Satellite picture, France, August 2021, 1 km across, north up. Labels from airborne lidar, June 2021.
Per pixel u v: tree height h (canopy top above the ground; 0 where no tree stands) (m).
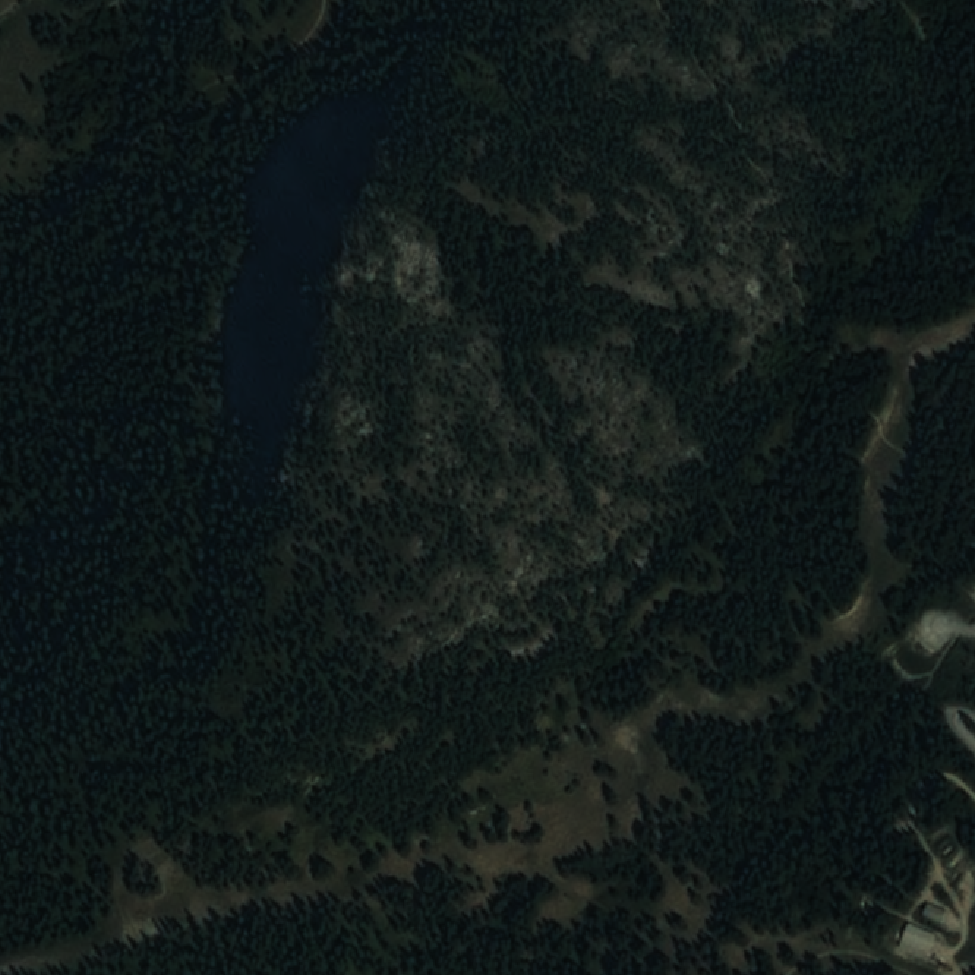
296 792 11
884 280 18
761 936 21
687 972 11
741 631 19
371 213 6
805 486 29
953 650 0
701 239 11
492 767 21
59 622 26
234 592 23
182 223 10
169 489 14
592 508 19
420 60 20
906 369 0
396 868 0
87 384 21
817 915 6
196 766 23
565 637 28
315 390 8
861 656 12
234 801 23
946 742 19
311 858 0
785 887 6
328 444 15
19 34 0
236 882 26
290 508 16
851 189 6
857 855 29
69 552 27
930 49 15
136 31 11
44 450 16
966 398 16
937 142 20
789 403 9
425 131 11
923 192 8
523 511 9
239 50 10
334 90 28
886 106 21
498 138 19
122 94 8
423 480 15
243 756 25
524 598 14
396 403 18
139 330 15
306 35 0
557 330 29
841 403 27
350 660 21
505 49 32
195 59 25
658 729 0
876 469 0
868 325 6
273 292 11
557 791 0
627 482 11
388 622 0
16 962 0
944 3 11
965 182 16
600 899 0
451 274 21
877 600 0
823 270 9
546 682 16
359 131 8
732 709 0
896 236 8
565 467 15
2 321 24
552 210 13
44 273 16
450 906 31
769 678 25
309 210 8
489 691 24
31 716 7
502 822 20
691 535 7
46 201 7
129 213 25
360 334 8
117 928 0
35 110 0
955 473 27
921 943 0
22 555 10
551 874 0
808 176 20
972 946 0
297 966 25
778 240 14
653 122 20
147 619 9
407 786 23
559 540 14
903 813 21
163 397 16
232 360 0
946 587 31
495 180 21
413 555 0
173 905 0
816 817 16
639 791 0
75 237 32
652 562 8
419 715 23
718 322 21
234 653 21
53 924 26
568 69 17
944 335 0
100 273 11
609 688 9
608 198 23
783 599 28
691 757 24
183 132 25
